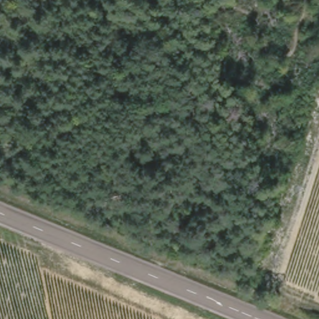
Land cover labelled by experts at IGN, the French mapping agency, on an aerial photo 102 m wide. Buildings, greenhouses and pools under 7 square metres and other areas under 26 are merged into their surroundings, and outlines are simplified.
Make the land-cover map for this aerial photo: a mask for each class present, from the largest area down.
<instances>
[{"label":"coniferous trees","instance_id":"1","mask_svg":"<svg viewBox=\"0 0 319 319\"><path fill-rule=\"evenodd\" d=\"M212 0H0V172H9V176L14 178L11 189L15 191L19 184L24 183L27 196L40 204H46L55 212H62L65 209L71 213L81 212L86 221L100 222L102 227H111L113 222L125 221V232L133 245H140L145 238H164L177 244L183 254L199 255L203 258L204 254L212 250L218 259L227 262H234L240 254L252 258L253 262L263 254V242L259 234L263 224L270 219L282 217V206L273 191L274 187L278 186V179L274 178L272 169H262L258 166L257 158L263 155V152H259L258 140H263L264 133L253 130L252 117L247 116L249 101L245 96L248 87L233 77L219 74L222 60L217 54L223 49L228 34L222 31L218 37H213L208 34L211 27L208 26V12L212 7L207 5Z\"/></svg>","mask_w":319,"mask_h":319},{"label":"vineyard","instance_id":"2","mask_svg":"<svg viewBox=\"0 0 319 319\"><path fill-rule=\"evenodd\" d=\"M313 118L308 123L305 151L295 162L293 172L282 174L278 179V186L274 187L273 191L282 206V217L270 219L263 224L259 234L263 242V254L253 262L258 267L278 273L280 282L313 295L315 302L319 303V98L313 108ZM62 260L59 254L42 247L35 239L0 227V319H172L102 287L100 283L72 274L69 269L61 268Z\"/></svg>","mask_w":319,"mask_h":319},{"label":"deciduous trees","instance_id":"3","mask_svg":"<svg viewBox=\"0 0 319 319\"><path fill-rule=\"evenodd\" d=\"M212 7L208 12V26L211 27L208 34L213 37H218L222 31L228 34L223 49L217 54L222 60L219 74L233 77L248 87L245 96L249 101L247 116L252 117L253 130L264 133L263 140H258L259 152H263V155L257 158L258 166L262 169H272L274 178L278 179L282 174L293 172L295 162L305 151L308 123L313 118V108L319 98V0H212L207 5Z\"/></svg>","mask_w":319,"mask_h":319},{"label":"herbaceous vegetation","instance_id":"4","mask_svg":"<svg viewBox=\"0 0 319 319\"><path fill-rule=\"evenodd\" d=\"M14 178L9 176V172H0V201L146 262L162 263V268L169 272L182 275L218 292L232 295L245 303L254 304L259 310H268L287 319H319V303L315 302L313 295L280 282L278 273L258 267L253 262L252 258L240 254L234 262H227L218 259L212 250L204 254L203 258L199 255L183 254L177 244L164 238H145L140 245H133L125 232V221L113 222L111 227H102L100 222L86 221L81 212L71 213L65 209L62 212H55L46 204H40L27 196L24 183L19 184L15 191L11 189ZM42 247L59 254L62 260L61 268L69 269L72 263H79L138 292L174 307L186 309L189 313L204 319H226L147 287L136 280L87 263L74 255L62 252L54 245L44 244Z\"/></svg>","mask_w":319,"mask_h":319},{"label":"impervious surface","instance_id":"5","mask_svg":"<svg viewBox=\"0 0 319 319\"><path fill-rule=\"evenodd\" d=\"M0 227L35 239L42 247L44 244L54 245L62 252L74 255L87 263L136 280L147 287L226 319H287L268 310H259L254 304L245 303L232 295L218 292L182 275L169 272L162 268V263L146 262L0 201Z\"/></svg>","mask_w":319,"mask_h":319},{"label":"pervious surface","instance_id":"6","mask_svg":"<svg viewBox=\"0 0 319 319\"><path fill-rule=\"evenodd\" d=\"M72 274L100 283L102 287L172 319H204L189 313L186 309L174 307L138 292L79 263H72L69 269Z\"/></svg>","mask_w":319,"mask_h":319}]
</instances>
